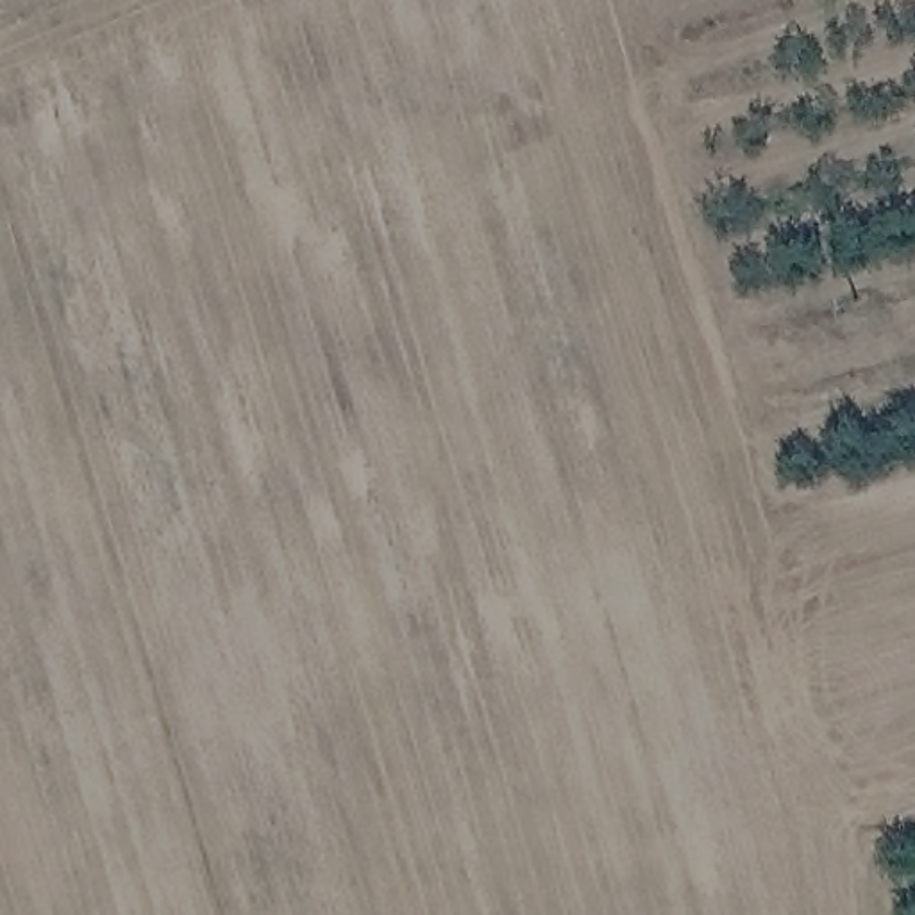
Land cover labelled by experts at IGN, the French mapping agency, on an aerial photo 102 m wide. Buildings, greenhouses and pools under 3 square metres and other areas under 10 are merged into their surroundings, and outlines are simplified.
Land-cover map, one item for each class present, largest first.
<instances>
[{"label":"agricultural land","instance_id":"1","mask_svg":"<svg viewBox=\"0 0 915 915\"><path fill-rule=\"evenodd\" d=\"M786 32L779 11L765 29L736 39H711L704 32L701 39H693L690 57H672L661 68H643V75H636L615 0H0V915H915V869L886 872L876 858V844L894 847L915 836V508L883 515L879 508L811 511L804 500L776 504L761 475L776 468L779 450L765 425L772 418L804 411V397L790 393V382H808L826 372L890 361L897 357V350L886 336L840 343L829 340L822 347L761 340L751 329L758 315L747 297L736 293V279L729 268L733 261V250L722 236H715V229L701 218L697 200L708 193L693 179V161L704 150L708 129L747 114L751 104L743 100V93L693 100L686 97V82L715 68L740 64L747 57L772 54L776 39Z\"/></svg>","mask_w":915,"mask_h":915},{"label":"herbaceous vegetation","instance_id":"2","mask_svg":"<svg viewBox=\"0 0 915 915\"><path fill-rule=\"evenodd\" d=\"M636 75H643V68H661L672 57H690L693 39H701L704 32L711 39H736L765 29L779 11L786 32L815 36L822 68L804 79H786L776 71L772 54L747 57L740 64L715 68L686 82V97L693 100L743 93V100L751 104L790 107L804 97L815 111H833V129L818 139H808L797 129L772 132L758 157L743 154V147H736L733 154L704 150L693 161V179L708 193L726 189L736 179H743L754 193L776 179L801 182L822 154L865 168L869 154H876L879 147H894L901 161V193L876 200L872 189L847 182V189L840 193L851 200L847 222L872 225L876 218L897 211L915 214V100H908L897 114L883 122H861L851 114L847 89L894 82L908 68L915 71V39L890 43L872 0H615ZM822 229H829V222L818 211L811 222H783L768 232L754 225L722 236L733 250V261H758V250L768 247V239L786 247L815 239ZM758 315L751 329L761 340L822 347L829 340L840 343L886 336L897 350V357L890 361L826 372L808 382H790V393L804 397V411L772 418L765 425L779 450H804L811 458H822L815 436L822 425L836 432L844 422H851L861 432H879L894 415L915 411V257L897 264L879 261L844 275L822 272L815 282L754 290L747 297ZM776 504L804 500L811 511L879 508L883 515L915 508V468H894L886 479L854 490L840 475H826L808 486L779 483L776 468L761 475Z\"/></svg>","mask_w":915,"mask_h":915},{"label":"deciduous trees","instance_id":"3","mask_svg":"<svg viewBox=\"0 0 915 915\"><path fill-rule=\"evenodd\" d=\"M890 43L915 39V0H872ZM776 71L786 79H804L822 68L815 36L786 32L776 39L772 54ZM851 114L861 122H883L897 114L908 100H915V71L908 68L894 82L847 89ZM797 129L808 139H818L833 129V111H815L804 97L790 107L751 104L747 114L708 129L704 150L733 154L736 147H743V154L758 157L772 132ZM847 182L872 189L876 200L901 193V161L894 147H879L876 154H869L865 168L822 154L801 182L776 179L754 193L743 179H736L726 189L708 193L697 200L701 218L715 229V236H722L754 225L768 232L783 222H811L818 211L829 222V229H822L815 239L786 247L768 239V247L758 250V261H733L729 268L736 279V293L747 297L754 290L815 282L822 272L844 275L879 261L897 264L915 257V214L897 211L876 218L872 225L847 222L851 200L840 193L847 189ZM822 458H811L804 450H779L776 468L779 483L808 486L826 475H840L854 490L886 479L894 468H915V411L894 415L879 432H861L851 422H844L836 432L822 425L815 436ZM876 858L886 872L915 869V836L894 847L876 844Z\"/></svg>","mask_w":915,"mask_h":915}]
</instances>
